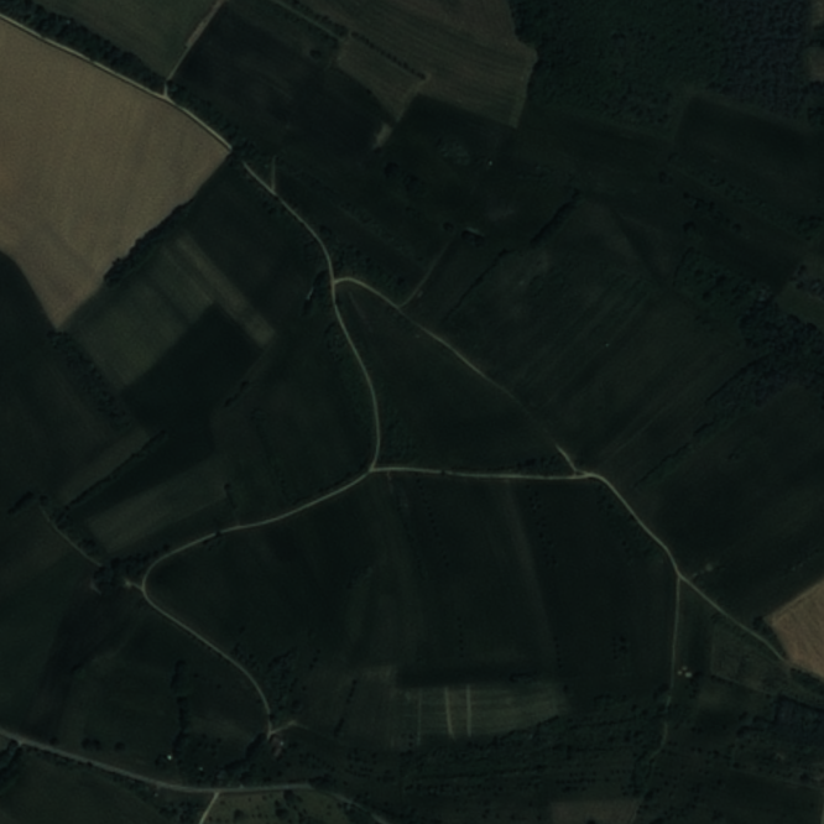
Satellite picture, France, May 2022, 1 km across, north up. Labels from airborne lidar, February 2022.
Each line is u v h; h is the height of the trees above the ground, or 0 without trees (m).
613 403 0
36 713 0
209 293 0
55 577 0
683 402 0
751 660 0
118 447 0
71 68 0
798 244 0
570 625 0
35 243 0
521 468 8
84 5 0
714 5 9
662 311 0
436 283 0
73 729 0
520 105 0
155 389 0
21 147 0
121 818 0
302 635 0
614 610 0
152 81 10
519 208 0
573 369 0
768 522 0
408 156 0
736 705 0
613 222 0
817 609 0
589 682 0
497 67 0
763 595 0
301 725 0
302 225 6
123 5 0
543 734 7
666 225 0
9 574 0
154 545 0
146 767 0
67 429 0
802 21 12
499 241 0
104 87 0
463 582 0
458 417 0
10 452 0
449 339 0
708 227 0
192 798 0
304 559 0
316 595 0
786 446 0
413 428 0
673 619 0
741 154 0
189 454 0
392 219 0
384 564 0
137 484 0
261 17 0
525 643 0
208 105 7
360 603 0
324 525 0
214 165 0
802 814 0
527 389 0
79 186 0
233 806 0
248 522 0
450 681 0
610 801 0
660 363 0
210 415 0
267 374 0
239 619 0
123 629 0
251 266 0
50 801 0
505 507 0
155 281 0
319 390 0
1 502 0
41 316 0
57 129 0
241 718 0
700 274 12
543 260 0
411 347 0
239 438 0
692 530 0
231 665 6
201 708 0
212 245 0
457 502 0
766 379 16
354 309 0
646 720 8
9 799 0
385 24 0
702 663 0
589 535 0
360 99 0
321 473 0
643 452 0
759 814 0
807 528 0
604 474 0
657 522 0
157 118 0
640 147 0
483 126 0
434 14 0
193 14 0
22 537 0
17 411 0
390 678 0
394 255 0
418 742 0
